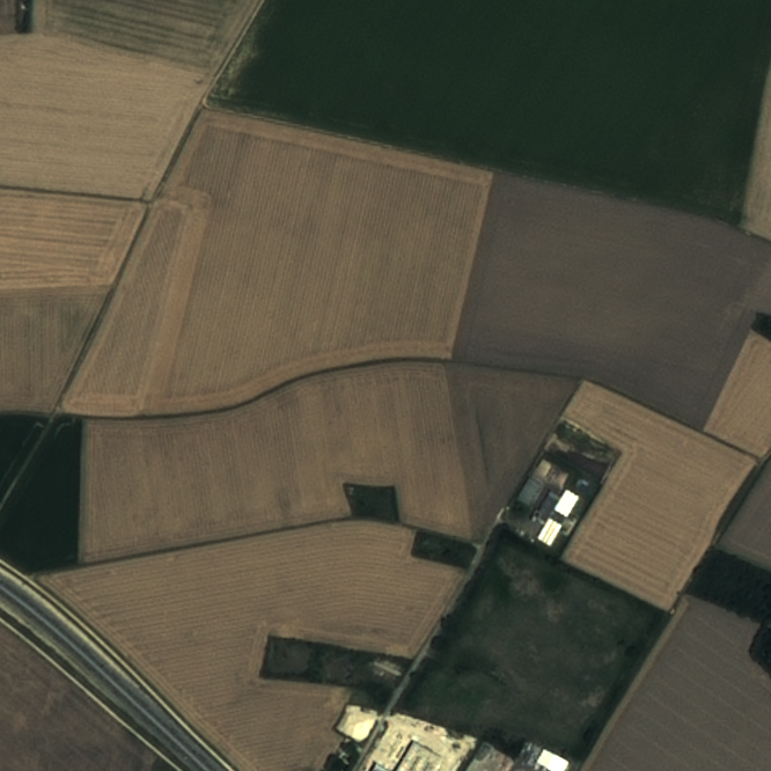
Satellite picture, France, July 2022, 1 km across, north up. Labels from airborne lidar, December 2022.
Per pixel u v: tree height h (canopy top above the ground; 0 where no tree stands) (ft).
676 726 0
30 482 0
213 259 0
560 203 0
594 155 0
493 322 0
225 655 0
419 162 0
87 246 0
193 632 0
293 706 0
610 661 0
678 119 0
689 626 0
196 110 0
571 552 0
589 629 0
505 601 0
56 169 0
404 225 0
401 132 0
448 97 0
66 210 0
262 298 0
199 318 0
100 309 0
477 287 0
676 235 0
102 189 0
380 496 0
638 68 0
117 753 0
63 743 0
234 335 0
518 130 0
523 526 0
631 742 0
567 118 0
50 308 0
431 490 0
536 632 0
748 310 0
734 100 0
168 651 0
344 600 0
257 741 0
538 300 0
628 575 0
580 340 0
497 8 0
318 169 0
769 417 0
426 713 0
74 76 0
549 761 0
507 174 0
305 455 0
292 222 0
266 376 0
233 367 0
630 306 0
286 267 0
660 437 0
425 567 0
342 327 0
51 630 0
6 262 0
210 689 0
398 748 0
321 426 0
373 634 0
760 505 0
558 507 0
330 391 0
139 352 0
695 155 0
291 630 0
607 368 0
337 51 0
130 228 0
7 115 0
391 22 0
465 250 0
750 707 0
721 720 0
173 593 0
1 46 0
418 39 0
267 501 0
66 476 0
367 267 0
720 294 0
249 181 0
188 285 0
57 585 0
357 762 35
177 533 0
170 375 0
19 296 0
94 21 0
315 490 0
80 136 0
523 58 0
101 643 0
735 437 0
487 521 0
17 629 0
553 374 0
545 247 0
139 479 0
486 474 0
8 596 0
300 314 0
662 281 0
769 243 0
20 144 0
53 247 0
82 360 0
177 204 0
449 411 0
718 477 0
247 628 0
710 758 0
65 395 0
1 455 0
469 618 0
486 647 0
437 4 0
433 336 0
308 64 0
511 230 0
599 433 0
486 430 0
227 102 0
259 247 0
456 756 0
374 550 0
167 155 0
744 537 0
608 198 0
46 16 0
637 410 0
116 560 0
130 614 0
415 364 0
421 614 0
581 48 0
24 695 0
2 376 0
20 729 0
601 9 0
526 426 0
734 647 0
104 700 0
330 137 0
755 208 0
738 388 0
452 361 0
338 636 0
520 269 0
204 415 0
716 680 0
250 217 0
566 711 0
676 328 0
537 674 0
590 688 0
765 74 0
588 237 0
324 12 0
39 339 0
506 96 0
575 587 0
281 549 0
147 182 0
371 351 0
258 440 0
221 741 0
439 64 0
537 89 0
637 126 0
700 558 0
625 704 0
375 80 0
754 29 0
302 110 0
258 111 0
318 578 0
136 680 0
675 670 0
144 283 0
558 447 0
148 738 0
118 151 0
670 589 0
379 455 0
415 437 0
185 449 0
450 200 0
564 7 0
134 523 0
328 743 0
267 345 0
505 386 0
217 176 0
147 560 0
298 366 0
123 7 0
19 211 0
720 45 0
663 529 0
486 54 0
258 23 0
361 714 0
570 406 0
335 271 0
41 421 0
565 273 0
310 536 0
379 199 0
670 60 0
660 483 0
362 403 0
